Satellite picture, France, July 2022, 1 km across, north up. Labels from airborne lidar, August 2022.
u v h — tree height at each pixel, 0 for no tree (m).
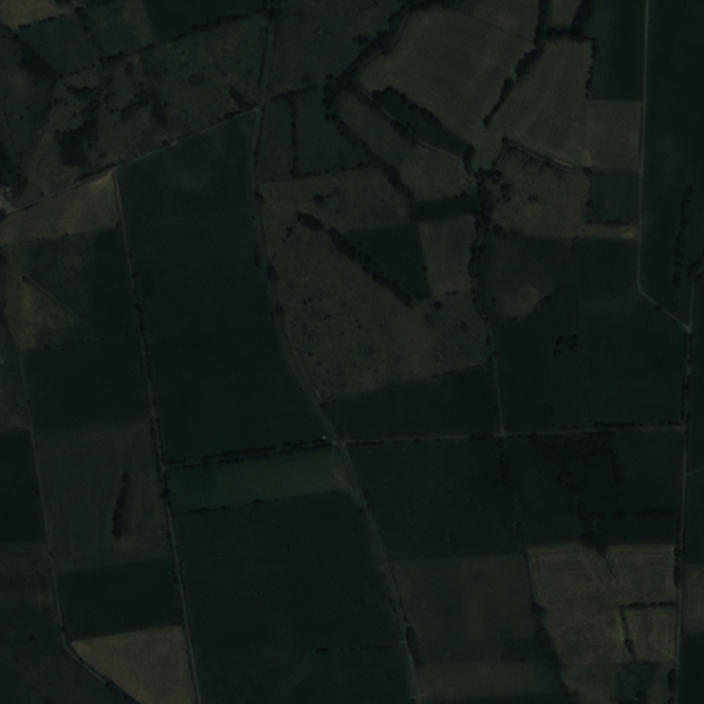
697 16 0
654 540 0
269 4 7
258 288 0
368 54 12
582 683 0
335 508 0
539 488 0
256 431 0
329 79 13
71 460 0
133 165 0
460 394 0
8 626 0
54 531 0
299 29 0
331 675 0
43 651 0
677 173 0
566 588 0
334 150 0
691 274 8
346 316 0
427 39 0
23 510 0
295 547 0
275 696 0
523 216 0
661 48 0
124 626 0
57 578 0
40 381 0
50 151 0
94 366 0
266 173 0
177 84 0
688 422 6
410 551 0
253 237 0
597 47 11
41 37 0
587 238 0
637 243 0
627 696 0
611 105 0
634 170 0
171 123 0
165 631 0
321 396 0
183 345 0
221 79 0
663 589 0
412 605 0
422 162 0
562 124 0
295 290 0
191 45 0
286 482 0
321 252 0
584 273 0
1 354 0
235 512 0
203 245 0
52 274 0
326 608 0
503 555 0
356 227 0
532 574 0
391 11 0
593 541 8
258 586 0
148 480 0
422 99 0
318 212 0
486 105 0
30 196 0
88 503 0
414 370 0
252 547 0
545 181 0
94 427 0
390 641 0
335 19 0
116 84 0
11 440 0
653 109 0
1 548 0
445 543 0
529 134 0
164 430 0
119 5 0
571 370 0
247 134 0
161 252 0
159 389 0
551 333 0
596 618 0
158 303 0
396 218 0
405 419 0
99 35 0
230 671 0
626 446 0
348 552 0
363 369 0
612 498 0
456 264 0
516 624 0
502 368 0
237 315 0
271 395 0
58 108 0
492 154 0
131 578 0
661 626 0
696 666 0
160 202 0
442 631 0
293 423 0
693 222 0
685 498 0
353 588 0
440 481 0
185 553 0
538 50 10
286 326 0
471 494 0
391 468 0
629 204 0
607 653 0
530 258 0
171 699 0
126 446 0
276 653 0
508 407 0
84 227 0
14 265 0
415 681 0
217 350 0
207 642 0
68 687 0
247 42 0
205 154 0
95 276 0
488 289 0
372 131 0
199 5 0
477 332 0
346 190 0
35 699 0
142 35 0
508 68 0
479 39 0
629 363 0
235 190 0
